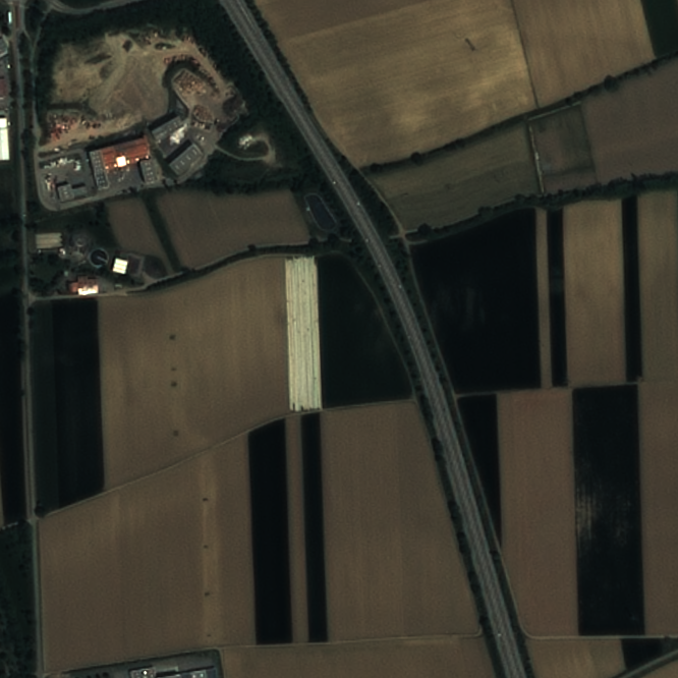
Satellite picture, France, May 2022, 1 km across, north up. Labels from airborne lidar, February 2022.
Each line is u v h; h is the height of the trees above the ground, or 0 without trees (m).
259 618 0
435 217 0
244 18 0
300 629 0
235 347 0
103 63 0
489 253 0
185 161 0
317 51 0
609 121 0
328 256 0
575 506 0
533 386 0
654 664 0
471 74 0
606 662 0
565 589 0
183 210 0
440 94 0
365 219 0
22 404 0
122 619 0
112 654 0
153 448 0
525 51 0
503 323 0
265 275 0
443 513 0
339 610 0
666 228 0
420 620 0
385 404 0
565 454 0
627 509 0
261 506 0
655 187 15
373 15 0
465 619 0
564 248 0
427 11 0
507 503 0
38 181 0
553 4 0
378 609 0
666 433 0
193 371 0
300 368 0
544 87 0
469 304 0
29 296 0
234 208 0
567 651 0
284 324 0
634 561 0
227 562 0
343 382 0
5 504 0
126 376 0
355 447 0
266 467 0
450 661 0
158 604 0
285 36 0
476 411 0
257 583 0
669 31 0
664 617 0
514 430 0
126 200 0
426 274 0
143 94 0
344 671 0
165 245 0
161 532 0
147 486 0
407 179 0
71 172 0
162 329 0
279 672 0
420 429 0
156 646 0
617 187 19
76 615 0
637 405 0
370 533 0
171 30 0
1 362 0
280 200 0
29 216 0
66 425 0
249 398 0
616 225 0
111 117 0
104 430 0
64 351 0
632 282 0
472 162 0
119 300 0
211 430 0
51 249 0
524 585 0
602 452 0
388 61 0
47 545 0
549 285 0
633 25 0
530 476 0
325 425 0
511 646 0
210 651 0
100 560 0
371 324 0
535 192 0
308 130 0
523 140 0
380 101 0
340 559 0
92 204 0
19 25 0
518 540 0
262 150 0
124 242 0
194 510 0
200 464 0
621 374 0
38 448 0
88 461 0
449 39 0
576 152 0
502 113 0
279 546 0
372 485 0
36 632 0
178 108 0
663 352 0
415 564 0
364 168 0
